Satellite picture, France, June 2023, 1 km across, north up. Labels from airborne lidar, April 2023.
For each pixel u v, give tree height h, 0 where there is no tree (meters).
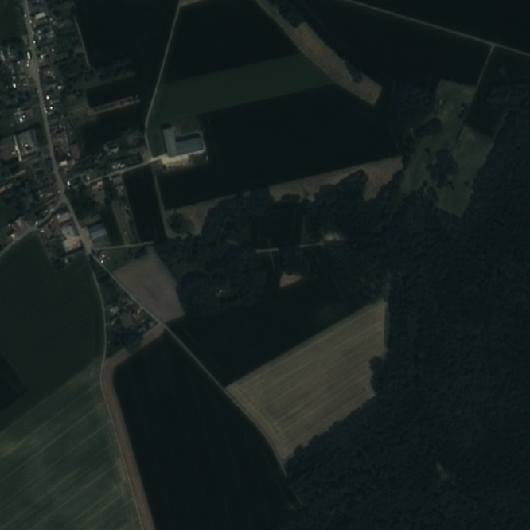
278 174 0
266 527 0
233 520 0
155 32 0
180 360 0
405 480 29
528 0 0
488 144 0
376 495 29
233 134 0
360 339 0
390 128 0
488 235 26
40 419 0
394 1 0
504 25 0
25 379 0
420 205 23
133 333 18
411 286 27
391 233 27
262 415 0
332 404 0
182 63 0
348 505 25
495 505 25
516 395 22
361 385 0
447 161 29
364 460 28
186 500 0
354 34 0
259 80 0
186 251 17
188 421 0
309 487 22
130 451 0
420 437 25
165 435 0
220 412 0
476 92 0
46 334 0
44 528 0
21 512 0
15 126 0
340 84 0
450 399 7
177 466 0
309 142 0
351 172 0
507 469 26
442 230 27
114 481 0
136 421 0
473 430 22
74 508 0
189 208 0
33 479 0
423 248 24
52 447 0
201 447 0
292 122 0
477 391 17
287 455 0
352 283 19
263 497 0
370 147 0
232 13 0
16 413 0
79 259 0
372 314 0
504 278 24
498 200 22
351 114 0
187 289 21
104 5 0
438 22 0
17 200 8
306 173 0
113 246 0
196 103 0
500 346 22
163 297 0
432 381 20
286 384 0
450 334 20
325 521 20
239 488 0
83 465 0
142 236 0
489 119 0
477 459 27
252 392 0
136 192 0
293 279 0
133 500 0
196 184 0
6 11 0
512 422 24
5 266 0
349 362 0
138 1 0
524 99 25
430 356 23
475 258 23
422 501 28
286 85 0
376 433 25
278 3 8
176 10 0
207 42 0
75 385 0
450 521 28
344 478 20
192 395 0
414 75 0
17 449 0
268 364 0
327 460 24
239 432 0
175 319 0
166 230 0
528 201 23
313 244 0
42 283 0
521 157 23
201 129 0
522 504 23
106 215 0
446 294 23
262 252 0
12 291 0
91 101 0
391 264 22
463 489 25
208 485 0
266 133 0
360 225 21
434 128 18
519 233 25
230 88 0
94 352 0
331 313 0
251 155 0
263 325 0
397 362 25
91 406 0
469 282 24
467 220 24
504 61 0
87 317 0
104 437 0
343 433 25
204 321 0
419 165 0
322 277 0
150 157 0
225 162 0
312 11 0
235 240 0
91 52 0
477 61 0
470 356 15
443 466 24
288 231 0
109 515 0
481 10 0
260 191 25
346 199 26
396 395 24
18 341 0
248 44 0
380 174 0
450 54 0
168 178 0
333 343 0
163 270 0
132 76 0
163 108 0
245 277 25
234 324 0
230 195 0
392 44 0
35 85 0
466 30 0
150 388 0
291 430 0
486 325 20
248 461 0
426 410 23
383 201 15
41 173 8
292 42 0
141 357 0
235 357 0
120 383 0
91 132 0
